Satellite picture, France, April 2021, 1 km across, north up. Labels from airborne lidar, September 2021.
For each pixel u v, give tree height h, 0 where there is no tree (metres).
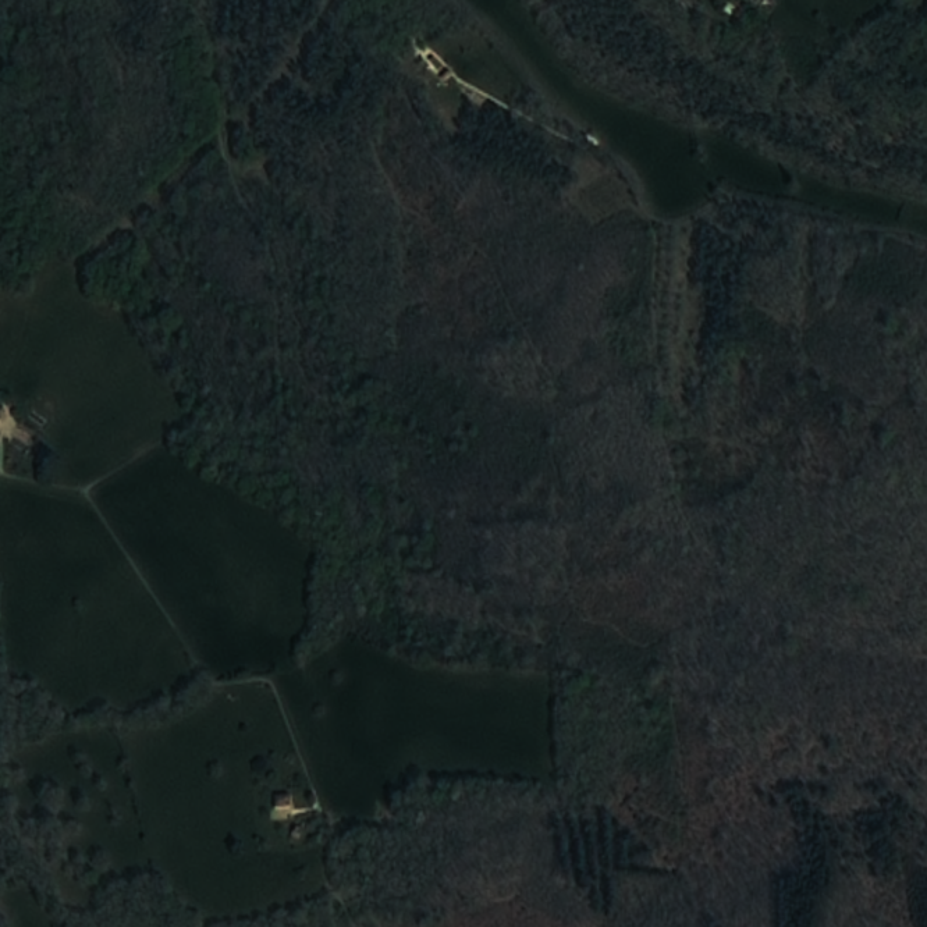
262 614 0
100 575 0
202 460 18
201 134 26
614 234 10
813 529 22
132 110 18
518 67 0
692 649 20
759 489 16
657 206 0
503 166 23
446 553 14
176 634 0
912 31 17
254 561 0
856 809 9
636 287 9
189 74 27
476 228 8
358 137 18
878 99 21
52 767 0
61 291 0
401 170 5
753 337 6
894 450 18
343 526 25
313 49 21
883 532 16
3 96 26
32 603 0
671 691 23
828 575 20
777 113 13
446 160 17
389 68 22
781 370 6
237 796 0
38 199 17
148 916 21
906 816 13
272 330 19
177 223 21
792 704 16
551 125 16
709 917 9
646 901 13
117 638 0
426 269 9
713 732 17
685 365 0
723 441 15
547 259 12
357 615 24
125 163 15
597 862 16
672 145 0
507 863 18
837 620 19
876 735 6
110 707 12
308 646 14
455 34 17
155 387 0
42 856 12
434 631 12
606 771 14
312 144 17
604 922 6
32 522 0
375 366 9
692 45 11
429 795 16
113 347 0
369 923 20
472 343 13
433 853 16
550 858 11
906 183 18
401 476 14
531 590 9
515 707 0
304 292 12
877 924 14
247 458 26
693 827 6
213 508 0
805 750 13
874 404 21
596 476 20
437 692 0
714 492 6
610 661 11
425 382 11
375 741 0
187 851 0
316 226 18
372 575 23
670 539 21
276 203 21
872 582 21
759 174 0
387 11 22
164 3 16
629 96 14
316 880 0
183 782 0
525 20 0
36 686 17
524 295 16
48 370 0
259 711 0
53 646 0
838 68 22
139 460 0
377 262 15
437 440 8
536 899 10
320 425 10
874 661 9
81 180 15
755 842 9
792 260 21
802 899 18
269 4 18
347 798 0
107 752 0
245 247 22
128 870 0
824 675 9
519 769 0
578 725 17
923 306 12
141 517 0
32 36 14
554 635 7
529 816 18
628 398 20
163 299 20
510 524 18
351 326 18
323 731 0
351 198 16
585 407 13
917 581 14
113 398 0
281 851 0
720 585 17
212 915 0
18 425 8
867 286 7
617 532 21
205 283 18
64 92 14
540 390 17
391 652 20
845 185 15
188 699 25
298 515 24
